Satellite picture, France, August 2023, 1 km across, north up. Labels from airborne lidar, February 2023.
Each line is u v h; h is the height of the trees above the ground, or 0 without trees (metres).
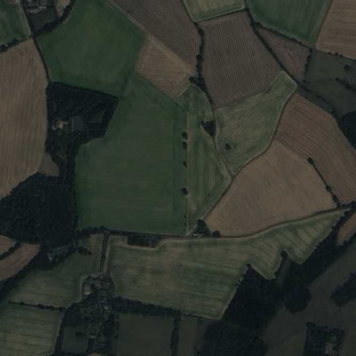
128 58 0
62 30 0
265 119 0
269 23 0
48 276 0
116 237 0
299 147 0
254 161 0
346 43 0
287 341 0
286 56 0
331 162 0
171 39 0
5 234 9
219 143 0
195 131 0
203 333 0
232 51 0
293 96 0
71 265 0
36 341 0
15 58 0
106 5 0
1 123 0
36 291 0
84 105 10
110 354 6
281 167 0
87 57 0
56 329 0
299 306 19
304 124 0
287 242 0
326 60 0
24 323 0
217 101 0
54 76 0
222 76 0
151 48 0
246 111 0
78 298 0
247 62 0
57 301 0
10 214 27
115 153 0
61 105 13
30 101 0
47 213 24
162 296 0
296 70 0
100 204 0
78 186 0
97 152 0
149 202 0
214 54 0
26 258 0
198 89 0
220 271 0
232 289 0
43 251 18
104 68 0
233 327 9
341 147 0
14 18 0
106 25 0
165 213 0
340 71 0
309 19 0
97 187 0
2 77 0
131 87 0
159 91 0
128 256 0
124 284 0
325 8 0
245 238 0
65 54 0
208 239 0
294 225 0
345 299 16
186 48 0
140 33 0
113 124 0
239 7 0
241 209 0
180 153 0
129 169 0
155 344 0
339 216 0
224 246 0
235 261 0
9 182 0
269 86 0
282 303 0
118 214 0
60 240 17
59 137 9
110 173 0
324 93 0
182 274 0
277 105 0
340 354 0
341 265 0
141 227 0
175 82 0
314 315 0
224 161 0
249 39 0
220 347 14
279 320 0
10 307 0
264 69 0
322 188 0
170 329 0
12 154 0
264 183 0
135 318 0
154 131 0
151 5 0
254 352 12
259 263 0
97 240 0
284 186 0
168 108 0
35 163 0
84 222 0
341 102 0
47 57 0
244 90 0
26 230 23
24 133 0
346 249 7
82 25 0
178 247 0
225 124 0
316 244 0
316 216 0
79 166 0
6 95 0
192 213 0
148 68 0
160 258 0
